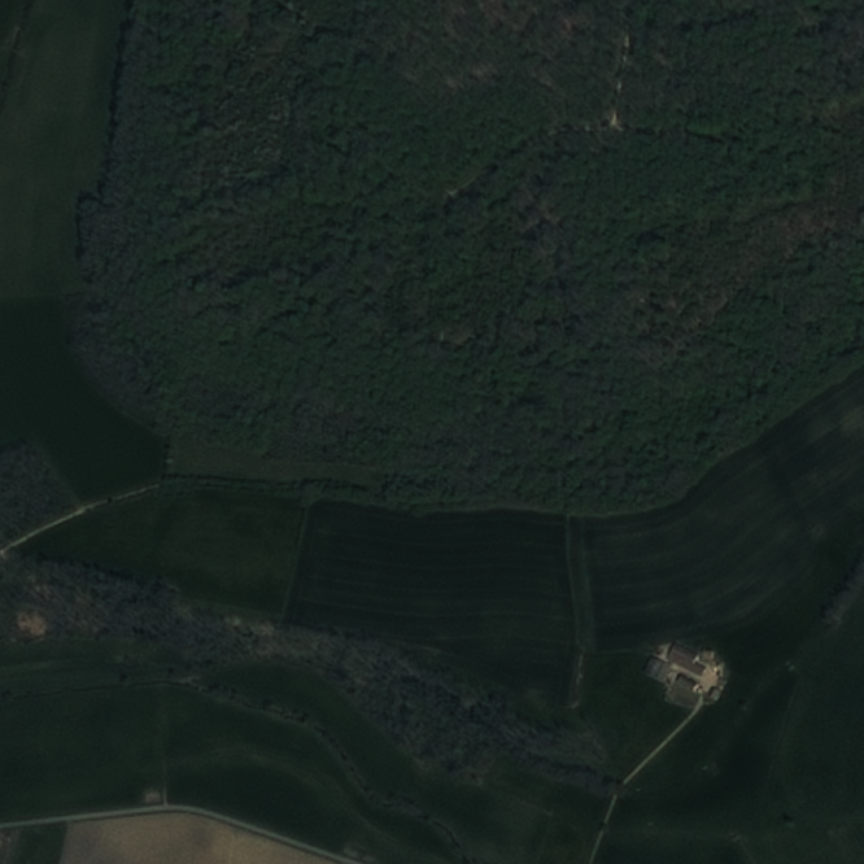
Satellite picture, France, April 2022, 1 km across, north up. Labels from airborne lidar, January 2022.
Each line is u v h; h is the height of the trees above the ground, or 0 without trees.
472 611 0
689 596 0
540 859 0
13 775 0
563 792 0
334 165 26
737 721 0
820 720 0
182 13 20
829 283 24
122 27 0
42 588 0
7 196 0
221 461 0
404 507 13
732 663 0
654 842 0
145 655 0
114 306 20
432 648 0
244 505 0
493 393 27
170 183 25
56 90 0
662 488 24
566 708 0
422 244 6
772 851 0
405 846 0
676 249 11
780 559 0
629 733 0
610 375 24
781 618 0
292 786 0
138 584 21
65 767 0
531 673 0
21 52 0
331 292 27
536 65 25
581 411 25
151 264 24
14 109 0
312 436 22
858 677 0
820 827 0
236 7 27
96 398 0
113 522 0
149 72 27
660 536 0
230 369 22
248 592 0
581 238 28
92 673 0
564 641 0
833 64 29
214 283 17
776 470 0
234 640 26
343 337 23
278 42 20
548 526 0
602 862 0
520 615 0
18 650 0
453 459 27
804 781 0
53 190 0
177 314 26
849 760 0
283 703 0
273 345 26
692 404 7
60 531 0
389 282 26
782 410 26
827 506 0
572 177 25
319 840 0
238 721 0
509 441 29
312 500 20
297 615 0
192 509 0
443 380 24
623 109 23
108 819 0
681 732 0
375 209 26
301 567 0
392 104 21
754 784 0
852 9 27
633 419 23
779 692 0
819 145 23
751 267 9
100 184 0
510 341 26
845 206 8
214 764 0
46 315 0
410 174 25
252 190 23
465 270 25
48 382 0
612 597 0
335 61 24
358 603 0
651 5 25
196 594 0
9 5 0
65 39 0
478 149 24
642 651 0
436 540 0
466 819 0
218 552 0
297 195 27
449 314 8
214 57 23
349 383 24
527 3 26
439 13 26
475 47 25
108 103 0
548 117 27
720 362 25
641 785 0
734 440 24
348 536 0
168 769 0
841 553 0
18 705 0
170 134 25
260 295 24
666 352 24
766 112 26
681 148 24
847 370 27
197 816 0
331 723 0
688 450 26
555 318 8
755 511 0
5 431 0
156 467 0
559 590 0
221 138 26
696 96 23
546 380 23
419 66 26
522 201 30
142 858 0
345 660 28
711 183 26
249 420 22
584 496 22
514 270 10
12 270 0
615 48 28
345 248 26
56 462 0
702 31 27
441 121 24
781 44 22
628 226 26
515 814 0
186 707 0
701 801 0
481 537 0
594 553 0
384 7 23
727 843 0
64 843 0
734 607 0
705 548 0
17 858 0
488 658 0
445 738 21
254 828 0
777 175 25
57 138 0
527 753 15
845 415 0
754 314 23
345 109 23
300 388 23
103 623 22
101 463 0
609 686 0
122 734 0
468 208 24
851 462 0
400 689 19
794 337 32
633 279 28
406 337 21
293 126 9
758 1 33
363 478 0
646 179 27
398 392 26
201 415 21
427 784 0
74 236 0
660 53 26
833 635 0
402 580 0
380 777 0
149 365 18
